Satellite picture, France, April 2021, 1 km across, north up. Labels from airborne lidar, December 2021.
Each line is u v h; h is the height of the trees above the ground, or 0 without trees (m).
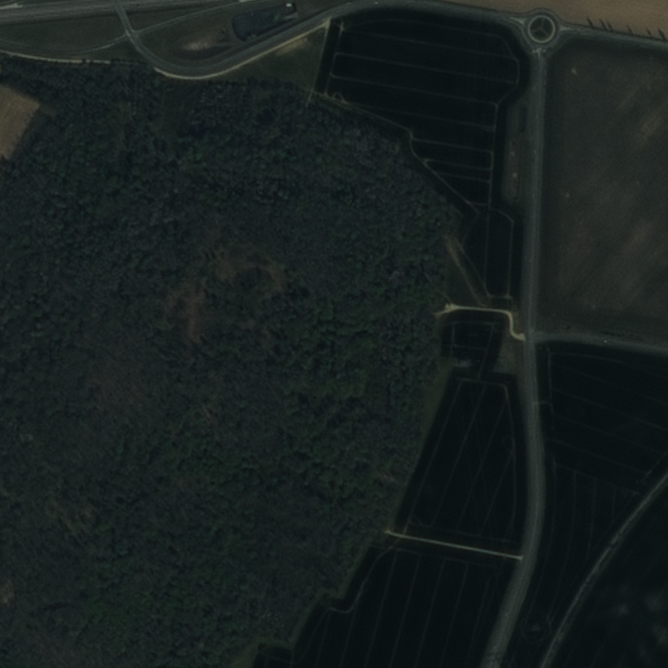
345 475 26
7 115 0
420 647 0
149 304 22
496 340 0
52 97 17
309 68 0
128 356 20
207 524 25
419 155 0
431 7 0
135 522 24
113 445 23
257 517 15
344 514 27
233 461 24
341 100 0
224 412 24
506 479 0
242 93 18
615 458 0
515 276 0
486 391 0
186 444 23
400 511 0
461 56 0
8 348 21
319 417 23
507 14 0
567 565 0
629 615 0
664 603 0
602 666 0
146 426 21
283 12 0
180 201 23
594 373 0
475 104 0
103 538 24
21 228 25
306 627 0
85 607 24
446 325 0
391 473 6
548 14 0
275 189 21
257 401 28
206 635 28
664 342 0
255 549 20
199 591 27
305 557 15
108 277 21
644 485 0
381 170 22
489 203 0
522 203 0
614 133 0
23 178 23
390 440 24
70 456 22
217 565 24
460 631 0
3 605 28
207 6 0
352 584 0
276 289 0
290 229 27
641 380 0
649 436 0
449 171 0
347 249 30
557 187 0
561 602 0
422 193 23
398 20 0
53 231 21
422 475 0
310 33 0
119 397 21
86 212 18
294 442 25
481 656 0
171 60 0
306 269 28
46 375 18
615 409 0
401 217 29
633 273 0
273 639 8
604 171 0
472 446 0
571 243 0
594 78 0
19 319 13
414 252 25
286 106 29
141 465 19
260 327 25
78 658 24
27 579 20
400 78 0
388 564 0
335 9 0
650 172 0
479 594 0
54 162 21
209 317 0
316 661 0
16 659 25
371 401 8
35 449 23
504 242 0
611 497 0
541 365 0
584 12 0
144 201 25
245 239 23
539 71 0
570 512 0
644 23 0
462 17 0
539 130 0
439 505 0
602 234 0
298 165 29
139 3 0
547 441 0
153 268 16
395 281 29
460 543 0
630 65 0
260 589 32
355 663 0
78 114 23
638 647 0
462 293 0
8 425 23
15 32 0
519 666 0
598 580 0
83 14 0
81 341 22
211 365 22
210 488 22
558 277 0
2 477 28
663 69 0
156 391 21
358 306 26
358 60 0
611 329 0
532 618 0
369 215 31
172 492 24
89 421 22
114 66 12
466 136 0
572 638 0
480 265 0
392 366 24
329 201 29
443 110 0
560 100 0
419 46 0
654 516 0
